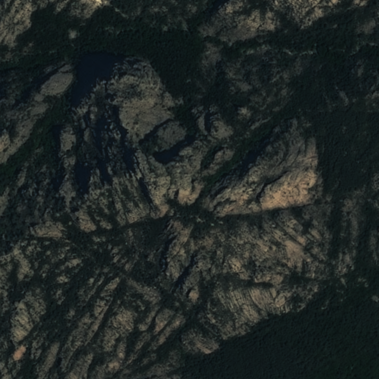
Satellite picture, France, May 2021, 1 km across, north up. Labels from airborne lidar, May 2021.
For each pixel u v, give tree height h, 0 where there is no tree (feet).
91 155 24
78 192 31
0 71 52
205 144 21
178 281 44
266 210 21
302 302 50
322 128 42
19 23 29
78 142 27
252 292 0
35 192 48
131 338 22
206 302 21
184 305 20
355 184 51
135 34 67
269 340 73
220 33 36
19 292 39
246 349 68
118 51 51
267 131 38
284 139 31
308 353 54
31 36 43
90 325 27
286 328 64
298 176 0
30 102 26
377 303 83
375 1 63
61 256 37
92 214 21
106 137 44
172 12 35
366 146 18
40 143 31
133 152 42
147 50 62
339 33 99
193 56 47
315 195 33
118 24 61
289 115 34
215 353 36
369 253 23
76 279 48
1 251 48
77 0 18
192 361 60
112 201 17
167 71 51
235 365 69
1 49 23
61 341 25
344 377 89
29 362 28
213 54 0
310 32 39
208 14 28
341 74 27
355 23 71
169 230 21
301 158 0
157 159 28
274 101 20
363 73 27
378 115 66
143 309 19
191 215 54
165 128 33
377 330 88
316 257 55
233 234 45
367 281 23
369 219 27
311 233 30
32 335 30
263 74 18
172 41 52
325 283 20
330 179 59
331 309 32
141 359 40
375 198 35
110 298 46
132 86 36
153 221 21
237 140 32
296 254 0
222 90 51
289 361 65
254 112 22
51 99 31
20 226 57
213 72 23
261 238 38
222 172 31
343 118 55
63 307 79
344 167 54
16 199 21
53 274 26
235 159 41
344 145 54
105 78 19
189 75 47
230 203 21
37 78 19
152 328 23
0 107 21
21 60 48
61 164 23
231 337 18
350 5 35
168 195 41
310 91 19
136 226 19
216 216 20
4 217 70
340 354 53
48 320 91
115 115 30
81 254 21
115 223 18
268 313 31
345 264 38
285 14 23
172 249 28
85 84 47
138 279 50
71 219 19
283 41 56
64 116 24
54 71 34
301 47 37
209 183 29
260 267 44
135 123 50
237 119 22
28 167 31
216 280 50
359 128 47
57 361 26
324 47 71
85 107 25
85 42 64
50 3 28
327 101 19
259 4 22
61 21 66
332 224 18
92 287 49
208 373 56
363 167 44
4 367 27
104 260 47
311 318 78
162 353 25
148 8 68
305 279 22
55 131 30
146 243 35
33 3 23
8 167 52
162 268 30
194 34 105
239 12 18
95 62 79
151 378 40
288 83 27
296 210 20
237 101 39
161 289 41
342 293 29
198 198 52
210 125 27
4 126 27
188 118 61
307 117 23
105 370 30
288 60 23
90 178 43
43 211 26
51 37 35
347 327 48
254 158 21
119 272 34
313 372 65
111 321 22
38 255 46
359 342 57
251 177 0
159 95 28
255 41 37
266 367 63
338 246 51
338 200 20
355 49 68
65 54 53
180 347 23
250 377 56
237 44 34
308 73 25
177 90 49
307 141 27
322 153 23
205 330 45
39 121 33
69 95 70
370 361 53
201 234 49
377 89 20
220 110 25
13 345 28
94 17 48
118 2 37
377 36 91
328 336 73
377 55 53
